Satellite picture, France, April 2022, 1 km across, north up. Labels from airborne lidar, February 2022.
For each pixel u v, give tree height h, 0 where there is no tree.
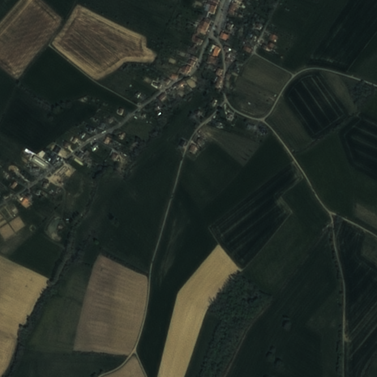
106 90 0
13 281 0
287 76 0
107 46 0
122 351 0
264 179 0
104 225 0
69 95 0
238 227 0
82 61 0
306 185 0
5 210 0
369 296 0
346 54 0
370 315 0
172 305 0
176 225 0
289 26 0
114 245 0
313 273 0
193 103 0
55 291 8
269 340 0
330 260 0
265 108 0
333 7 0
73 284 0
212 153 0
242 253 0
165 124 22
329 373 0
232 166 0
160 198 0
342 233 0
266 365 0
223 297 14
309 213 0
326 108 0
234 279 20
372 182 0
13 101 0
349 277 0
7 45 0
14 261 0
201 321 0
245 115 0
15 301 0
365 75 0
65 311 0
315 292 0
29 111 0
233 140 0
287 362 0
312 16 0
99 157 0
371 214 0
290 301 0
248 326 18
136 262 0
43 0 0
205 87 12
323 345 0
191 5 0
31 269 0
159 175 0
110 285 0
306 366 0
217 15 0
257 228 0
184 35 0
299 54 0
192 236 0
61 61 0
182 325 0
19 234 0
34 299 0
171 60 0
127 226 0
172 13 0
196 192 0
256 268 0
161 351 0
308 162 0
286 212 0
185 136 0
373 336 0
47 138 0
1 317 0
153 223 0
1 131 0
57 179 0
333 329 0
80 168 0
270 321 0
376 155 0
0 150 0
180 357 0
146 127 0
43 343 0
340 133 0
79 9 0
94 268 0
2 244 0
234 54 0
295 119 0
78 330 0
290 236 0
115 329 0
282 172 0
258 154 0
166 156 0
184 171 0
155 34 0
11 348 0
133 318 0
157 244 0
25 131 0
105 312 0
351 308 0
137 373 0
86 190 0
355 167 0
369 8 0
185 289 0
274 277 0
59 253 0
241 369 0
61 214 0
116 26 0
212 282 0
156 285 0
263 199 0
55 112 19
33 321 13
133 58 0
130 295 0
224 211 0
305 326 0
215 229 0
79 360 0
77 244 0
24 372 0
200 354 0
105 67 0
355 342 0
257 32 6
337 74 0
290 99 0
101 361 0
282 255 0
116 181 0
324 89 0
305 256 0
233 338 22
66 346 0
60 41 0
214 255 0
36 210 0
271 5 0
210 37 0
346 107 0
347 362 0
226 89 13
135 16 0
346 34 0
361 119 0
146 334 0
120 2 0
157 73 8
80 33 0
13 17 0
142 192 0
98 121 0
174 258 0
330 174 0
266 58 0
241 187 0
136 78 0
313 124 0
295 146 0
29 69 0
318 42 0
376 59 0
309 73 0
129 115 0
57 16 0
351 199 0
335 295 0
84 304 0
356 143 0
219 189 0
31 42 0
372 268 0
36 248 0
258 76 0
